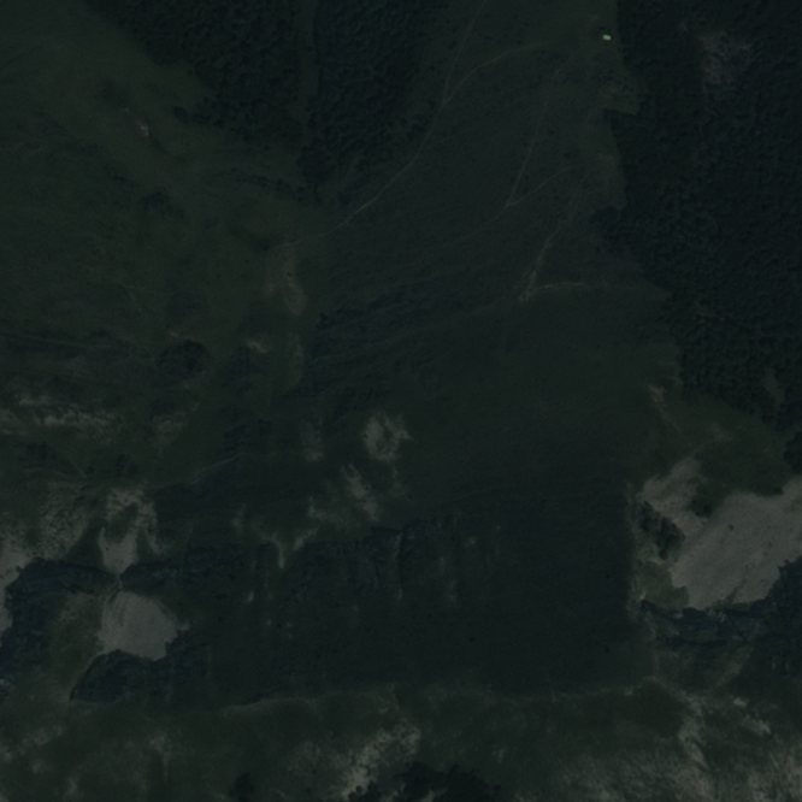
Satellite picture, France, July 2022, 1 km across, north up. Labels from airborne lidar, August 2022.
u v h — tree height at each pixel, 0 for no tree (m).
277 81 28
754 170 21
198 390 0
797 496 0
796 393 12
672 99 23
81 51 0
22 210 0
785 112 30
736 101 27
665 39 24
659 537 6
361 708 0
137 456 0
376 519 0
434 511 0
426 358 0
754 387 16
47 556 0
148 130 0
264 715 0
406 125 11
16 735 0
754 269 26
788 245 22
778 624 0
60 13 0
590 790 0
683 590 0
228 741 0
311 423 0
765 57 25
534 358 0
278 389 0
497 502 0
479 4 0
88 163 0
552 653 0
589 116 0
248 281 0
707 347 18
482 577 0
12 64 0
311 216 0
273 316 0
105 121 0
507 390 0
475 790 14
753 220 17
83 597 0
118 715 0
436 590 0
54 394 0
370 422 0
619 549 0
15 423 0
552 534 0
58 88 0
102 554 0
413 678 0
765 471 0
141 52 0
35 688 0
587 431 0
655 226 27
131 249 0
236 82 22
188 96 0
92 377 0
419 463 0
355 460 0
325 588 0
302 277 0
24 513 0
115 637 0
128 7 12
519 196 0
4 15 0
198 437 0
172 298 0
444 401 0
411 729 0
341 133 17
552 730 0
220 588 0
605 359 0
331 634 0
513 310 0
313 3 0
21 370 0
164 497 0
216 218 0
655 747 0
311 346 0
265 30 29
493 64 0
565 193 0
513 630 0
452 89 0
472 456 0
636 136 19
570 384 0
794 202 29
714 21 25
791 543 0
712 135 21
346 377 0
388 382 0
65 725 0
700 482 0
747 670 0
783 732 0
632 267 0
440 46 0
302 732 0
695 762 0
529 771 0
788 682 0
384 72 19
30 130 0
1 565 0
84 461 0
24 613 0
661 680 0
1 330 0
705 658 0
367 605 0
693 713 0
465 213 0
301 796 0
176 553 0
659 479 0
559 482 0
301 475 0
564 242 0
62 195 0
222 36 18
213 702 0
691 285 23
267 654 0
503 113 0
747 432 0
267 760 0
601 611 0
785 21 27
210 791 0
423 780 11
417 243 0
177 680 0
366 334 10
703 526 0
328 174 14
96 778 0
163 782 0
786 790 0
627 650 0
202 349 18
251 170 0
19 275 0
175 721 0
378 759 0
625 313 0
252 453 0
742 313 22
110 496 0
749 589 0
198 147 0
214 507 0
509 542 0
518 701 0
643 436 0
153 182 0
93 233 0
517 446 0
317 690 0
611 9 0
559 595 0
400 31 22
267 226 0
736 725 0
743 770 0
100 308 0
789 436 0
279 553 0
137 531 0
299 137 14
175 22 24
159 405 0
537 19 0
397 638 0
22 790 0
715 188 17
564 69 0
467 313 0
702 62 28
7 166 0
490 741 0
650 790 0
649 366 0
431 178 0
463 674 0
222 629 0
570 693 0
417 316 0
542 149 0
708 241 27
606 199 0
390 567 0
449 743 0
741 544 0
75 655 0
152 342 0
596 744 0
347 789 0
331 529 0
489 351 0
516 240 0
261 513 0
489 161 0
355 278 0
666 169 19
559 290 0
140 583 0
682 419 0
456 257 0
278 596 0
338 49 30
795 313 20
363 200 0
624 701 0
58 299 0
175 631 0
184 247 0
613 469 0
